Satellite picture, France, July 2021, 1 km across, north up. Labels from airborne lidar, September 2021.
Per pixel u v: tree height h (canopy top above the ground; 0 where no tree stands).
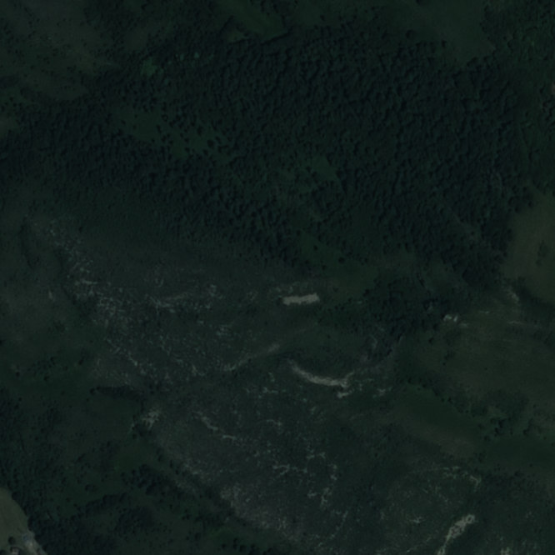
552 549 8
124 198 8
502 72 21
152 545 7
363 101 8
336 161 9
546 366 0
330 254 0
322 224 13
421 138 21
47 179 9
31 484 14
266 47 24
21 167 15
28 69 0
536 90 25
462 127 9
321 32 9
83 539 10
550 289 0
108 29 8
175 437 0
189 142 18
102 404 0
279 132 8
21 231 8
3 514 0
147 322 8
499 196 18
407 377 12
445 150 21
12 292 0
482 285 7
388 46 9
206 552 0
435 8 0
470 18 0
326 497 7
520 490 6
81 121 23
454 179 16
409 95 25
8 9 0
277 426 9
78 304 10
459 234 8
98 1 11
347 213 13
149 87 17
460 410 8
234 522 0
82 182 8
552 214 0
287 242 17
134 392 9
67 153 16
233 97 18
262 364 0
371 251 6
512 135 18
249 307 6
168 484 12
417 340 6
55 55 11
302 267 12
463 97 9
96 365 0
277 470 7
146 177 20
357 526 5
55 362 9
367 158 8
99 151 27
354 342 0
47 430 8
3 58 0
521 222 0
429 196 11
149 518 13
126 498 12
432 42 6
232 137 14
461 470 11
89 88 13
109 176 6
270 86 14
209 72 16
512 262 0
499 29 23
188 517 11
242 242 7
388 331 5
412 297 7
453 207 11
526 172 16
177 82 14
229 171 6
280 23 0
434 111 22
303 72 8
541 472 0
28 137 8
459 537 8
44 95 11
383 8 8
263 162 9
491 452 0
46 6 0
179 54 21
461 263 15
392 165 8
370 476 5
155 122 0
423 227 17
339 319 6
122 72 18
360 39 11
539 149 15
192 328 0
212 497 13
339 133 6
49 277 0
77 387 0
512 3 15
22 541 0
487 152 22
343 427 8
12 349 0
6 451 13
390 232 6
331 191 9
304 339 0
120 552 6
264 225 8
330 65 10
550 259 0
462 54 0
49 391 0
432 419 0
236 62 9
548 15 20
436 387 9
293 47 17
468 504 8
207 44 21
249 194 7
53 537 26
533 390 0
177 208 6
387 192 18
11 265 0
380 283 12
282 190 8
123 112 0
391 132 16
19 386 0
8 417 11
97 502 11
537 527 6
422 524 7
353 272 0
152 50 16
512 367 0
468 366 0
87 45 9
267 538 0
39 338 0
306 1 0
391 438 9
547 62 27
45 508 11
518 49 32
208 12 11
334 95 8
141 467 8
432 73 24
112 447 7
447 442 0
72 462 6
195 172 21
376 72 20
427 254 9
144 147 17
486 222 15
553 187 16
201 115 10
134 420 8
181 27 15
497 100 19
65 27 0
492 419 10
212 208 19
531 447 0
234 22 22
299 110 16
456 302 7
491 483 8
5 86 18
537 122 24
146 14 7
